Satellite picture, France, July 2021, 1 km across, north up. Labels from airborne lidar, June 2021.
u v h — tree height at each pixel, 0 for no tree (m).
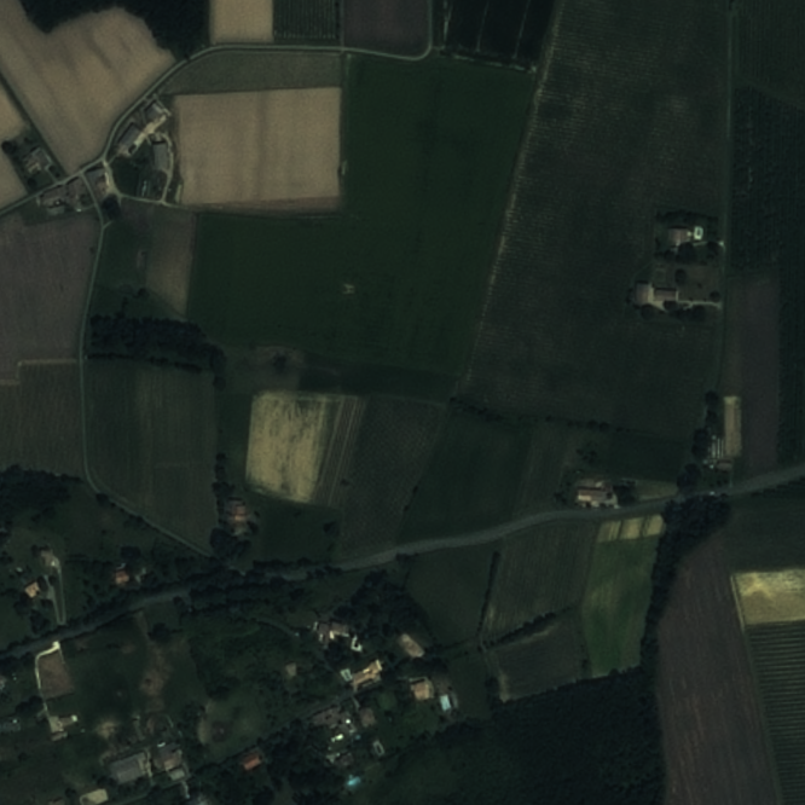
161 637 16
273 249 0
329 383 0
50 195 0
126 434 0
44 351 0
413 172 0
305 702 7
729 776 0
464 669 0
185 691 0
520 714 8
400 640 0
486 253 0
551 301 0
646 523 0
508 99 0
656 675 16
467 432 0
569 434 0
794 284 6
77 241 0
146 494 0
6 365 0
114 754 0
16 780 0
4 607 0
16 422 0
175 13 21
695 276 0
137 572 14
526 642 0
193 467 0
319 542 0
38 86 0
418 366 0
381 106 0
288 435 0
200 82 0
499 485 0
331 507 0
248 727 0
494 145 0
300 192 0
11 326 0
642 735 16
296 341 0
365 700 7
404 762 9
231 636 6
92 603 13
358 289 0
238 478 0
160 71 0
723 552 0
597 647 0
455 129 0
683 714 0
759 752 0
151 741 0
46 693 0
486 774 6
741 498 0
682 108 0
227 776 16
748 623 0
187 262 0
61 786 0
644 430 0
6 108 0
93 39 0
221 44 0
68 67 0
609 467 0
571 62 0
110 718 0
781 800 0
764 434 0
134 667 0
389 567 0
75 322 0
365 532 0
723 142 0
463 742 15
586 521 0
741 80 0
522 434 0
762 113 6
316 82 0
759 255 5
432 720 0
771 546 0
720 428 0
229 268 0
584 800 19
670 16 0
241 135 0
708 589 0
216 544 20
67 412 0
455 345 0
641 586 0
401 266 0
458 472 0
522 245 0
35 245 0
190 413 0
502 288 0
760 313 0
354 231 0
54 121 0
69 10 22
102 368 0
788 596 0
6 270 0
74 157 0
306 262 0
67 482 11
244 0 0
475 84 0
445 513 0
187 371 9
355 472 0
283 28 0
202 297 0
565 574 0
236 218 0
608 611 0
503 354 0
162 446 0
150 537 0
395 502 0
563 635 0
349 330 0
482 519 0
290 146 0
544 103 0
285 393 0
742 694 0
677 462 0
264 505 0
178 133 0
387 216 0
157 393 0
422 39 0
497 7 0
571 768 16
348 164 0
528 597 0
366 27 0
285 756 23
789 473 0
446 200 0
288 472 0
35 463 0
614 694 19
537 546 0
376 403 0
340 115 0
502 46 0
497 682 13
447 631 0
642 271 0
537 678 0
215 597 18
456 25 0
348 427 0
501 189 0
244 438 0
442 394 0
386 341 0
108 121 0
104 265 0
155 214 0
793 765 0
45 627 12
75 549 0
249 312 0
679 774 0
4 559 7
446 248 0
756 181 5
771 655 0
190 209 0
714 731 0
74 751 0
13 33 0
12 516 7
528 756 11
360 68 0
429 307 0
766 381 0
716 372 0
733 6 9
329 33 0
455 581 0
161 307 0
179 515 0
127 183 0
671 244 0
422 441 0
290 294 0
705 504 24
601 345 0
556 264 0
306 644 16
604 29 0
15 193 0
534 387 0
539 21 0
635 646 0
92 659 0
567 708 13
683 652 0
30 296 0
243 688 0
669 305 11
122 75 0
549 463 0
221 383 10
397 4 0
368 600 13
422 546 0
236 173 0
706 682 0
